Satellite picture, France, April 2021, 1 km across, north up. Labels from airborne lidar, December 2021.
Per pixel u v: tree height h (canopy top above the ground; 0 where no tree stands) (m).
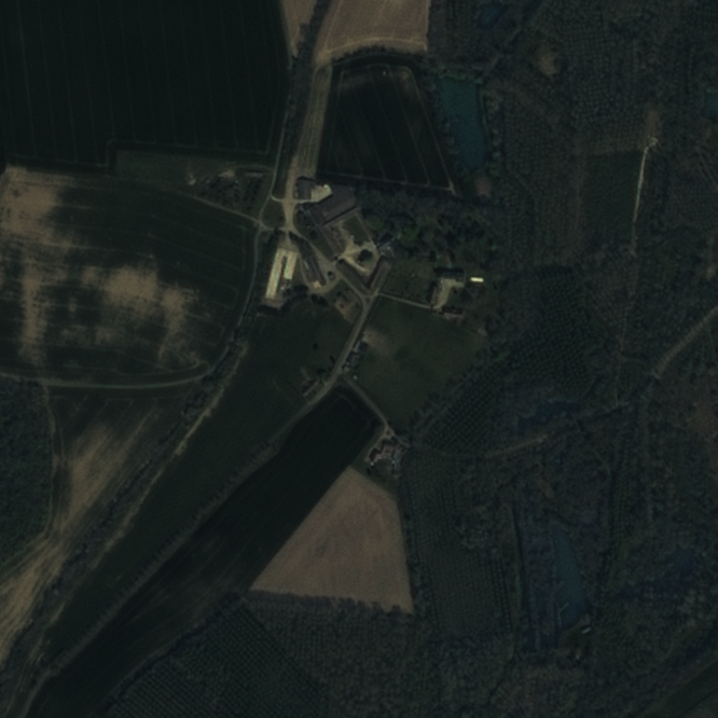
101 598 0
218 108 0
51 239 0
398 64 0
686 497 8
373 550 0
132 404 0
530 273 12
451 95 0
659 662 26
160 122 0
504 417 16
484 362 20
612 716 15
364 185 8
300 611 26
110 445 0
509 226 31
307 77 11
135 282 0
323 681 24
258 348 0
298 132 12
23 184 0
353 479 0
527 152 40
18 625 0
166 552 15
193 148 0
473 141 0
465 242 19
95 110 0
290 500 0
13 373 0
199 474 0
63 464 0
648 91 21
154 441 0
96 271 0
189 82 0
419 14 0
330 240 0
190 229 0
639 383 7
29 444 27
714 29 21
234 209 0
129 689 18
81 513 0
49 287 0
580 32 35
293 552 0
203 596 0
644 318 9
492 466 12
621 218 6
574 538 10
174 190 0
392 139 0
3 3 0
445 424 22
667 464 10
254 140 0
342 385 15
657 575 12
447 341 0
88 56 0
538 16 37
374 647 28
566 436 16
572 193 29
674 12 30
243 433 0
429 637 6
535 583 7
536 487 13
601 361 7
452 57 15
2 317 0
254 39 0
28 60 0
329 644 30
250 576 0
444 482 10
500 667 34
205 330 0
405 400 0
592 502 14
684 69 17
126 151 0
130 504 17
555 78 6
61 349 0
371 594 0
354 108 0
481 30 14
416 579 26
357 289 0
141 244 0
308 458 0
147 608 0
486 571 11
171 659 11
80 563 16
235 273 0
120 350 0
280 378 0
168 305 0
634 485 26
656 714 0
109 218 0
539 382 20
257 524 0
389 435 0
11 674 14
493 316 0
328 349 0
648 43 7
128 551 0
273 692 13
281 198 0
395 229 23
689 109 17
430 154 0
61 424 0
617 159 6
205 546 0
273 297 0
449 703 22
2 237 0
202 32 0
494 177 19
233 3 0
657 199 11
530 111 29
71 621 0
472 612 9
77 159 0
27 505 17
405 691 10
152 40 0
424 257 18
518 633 8
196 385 0
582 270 6
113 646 0
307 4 0
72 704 0
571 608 0
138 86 0
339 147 0
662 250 8
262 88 0
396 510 0
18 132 0
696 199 29
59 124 0
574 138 31
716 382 0
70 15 0
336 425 0
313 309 0
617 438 19
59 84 0
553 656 17
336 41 0
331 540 0
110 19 0
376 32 0
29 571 0
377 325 0
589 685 21
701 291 19
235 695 24
